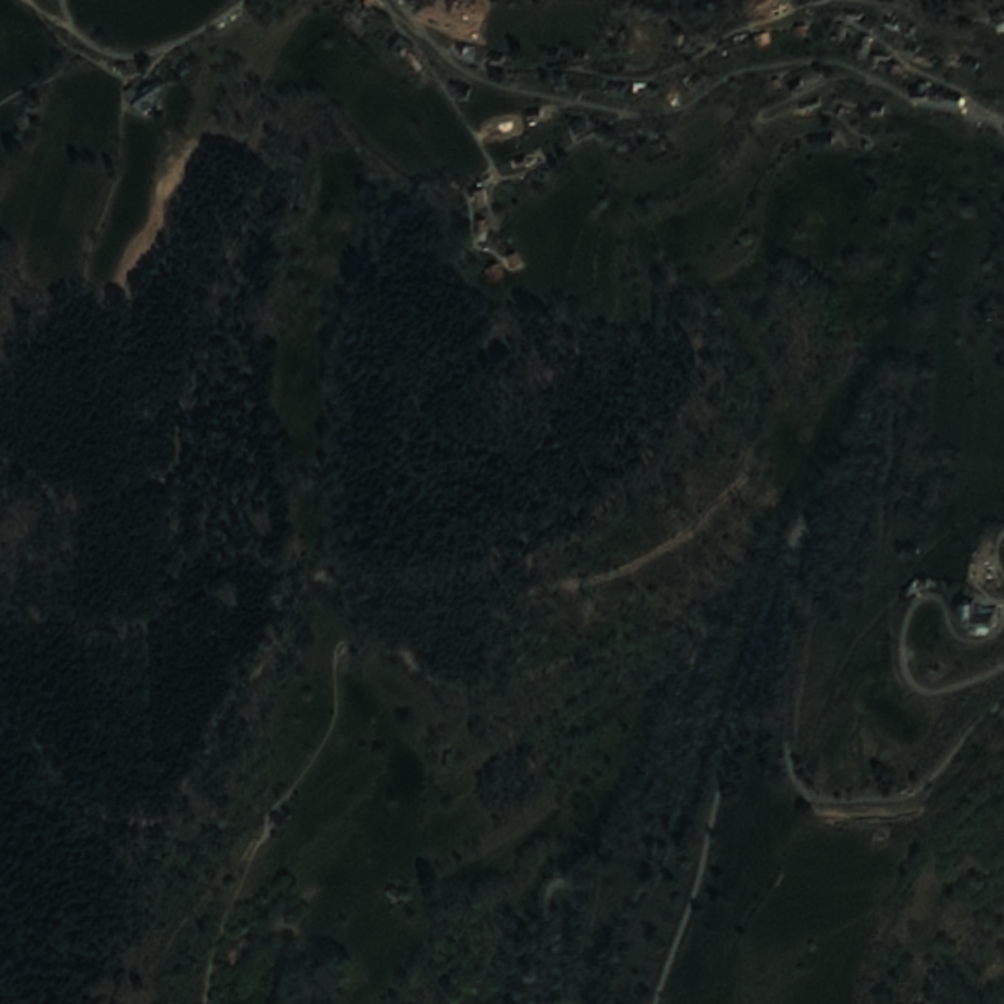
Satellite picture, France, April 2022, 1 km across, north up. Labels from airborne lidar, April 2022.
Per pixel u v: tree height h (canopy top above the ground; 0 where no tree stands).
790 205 0
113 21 0
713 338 27
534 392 21
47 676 27
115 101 0
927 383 17
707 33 15
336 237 0
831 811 0
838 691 0
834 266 0
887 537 0
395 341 20
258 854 0
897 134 16
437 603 19
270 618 23
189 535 12
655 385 25
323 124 23
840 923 0
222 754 22
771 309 21
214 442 9
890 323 0
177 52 6
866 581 10
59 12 0
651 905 0
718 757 14
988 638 0
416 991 19
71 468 25
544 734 23
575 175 0
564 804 15
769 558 7
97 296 20
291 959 14
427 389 20
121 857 16
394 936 0
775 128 0
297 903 25
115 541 25
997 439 0
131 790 22
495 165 0
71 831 19
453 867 12
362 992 0
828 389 24
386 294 28
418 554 19
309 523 0
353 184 0
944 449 7
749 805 0
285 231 24
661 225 0
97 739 22
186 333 27
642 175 0
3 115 0
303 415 0
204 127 0
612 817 23
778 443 0
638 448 26
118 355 30
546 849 26
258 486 28
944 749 8
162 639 18
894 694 0
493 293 0
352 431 24
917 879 7
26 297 20
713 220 0
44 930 26
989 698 8
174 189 0
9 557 19
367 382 17
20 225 0
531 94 0
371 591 25
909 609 0
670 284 29
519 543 21
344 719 0
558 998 19
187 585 13
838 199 0
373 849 0
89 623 14
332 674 0
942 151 0
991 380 0
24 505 22
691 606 12
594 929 0
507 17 0
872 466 13
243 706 21
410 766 0
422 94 0
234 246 21
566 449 28
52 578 19
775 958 0
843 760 0
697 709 24
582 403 28
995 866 20
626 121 7
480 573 18
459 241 17
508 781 27
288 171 31
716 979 0
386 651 9
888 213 0
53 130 0
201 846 15
